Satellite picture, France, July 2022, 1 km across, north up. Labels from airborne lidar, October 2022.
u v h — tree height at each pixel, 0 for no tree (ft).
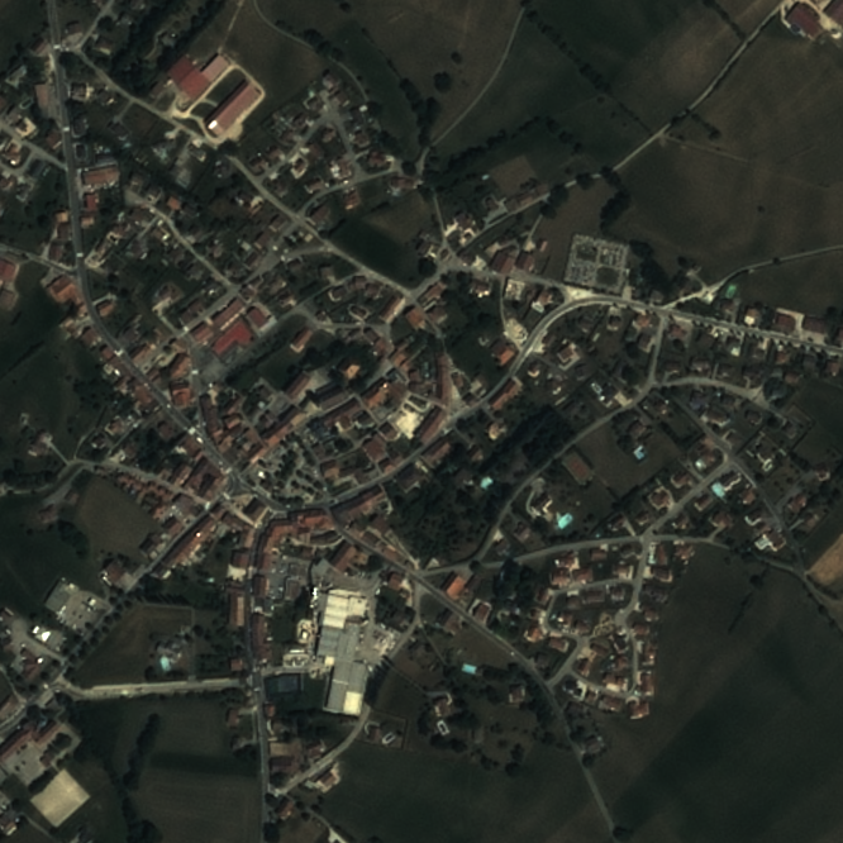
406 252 0
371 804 0
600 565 0
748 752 0
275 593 0
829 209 0
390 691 0
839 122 0
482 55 0
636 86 0
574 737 33
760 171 0
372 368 23
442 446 0
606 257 0
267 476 28
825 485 26
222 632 21
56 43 0
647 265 40
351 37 0
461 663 0
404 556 0
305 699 41
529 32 0
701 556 0
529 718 0
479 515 43
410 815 0
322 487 26
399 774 0
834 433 0
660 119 0
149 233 0
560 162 0
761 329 19
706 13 0
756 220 0
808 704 0
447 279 49
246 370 18
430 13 0
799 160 0
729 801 0
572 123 0
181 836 0
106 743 0
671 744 0
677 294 0
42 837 0
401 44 0
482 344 0
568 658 0
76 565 0
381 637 0
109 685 0
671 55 0
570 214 0
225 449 0
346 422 0
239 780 0
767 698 0
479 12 0
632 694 0
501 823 0
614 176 71
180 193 19
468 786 0
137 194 0
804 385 0
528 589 78
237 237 0
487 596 0
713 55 0
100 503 0
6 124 0
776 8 0
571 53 18
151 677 42
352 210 0
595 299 0
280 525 0
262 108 0
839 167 0
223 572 0
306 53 0
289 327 0
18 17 0
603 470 0
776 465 21
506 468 41
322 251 0
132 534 0
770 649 0
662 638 0
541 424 62
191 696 25
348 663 0
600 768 0
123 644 0
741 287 0
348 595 0
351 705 0
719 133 32
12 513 0
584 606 0
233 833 0
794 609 0
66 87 0
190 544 0
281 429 0
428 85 0
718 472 0
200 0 0
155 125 0
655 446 0
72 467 0
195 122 0
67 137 0
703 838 0
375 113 55
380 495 0
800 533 31
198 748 0
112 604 22
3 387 0
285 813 0
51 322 0
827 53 0
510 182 0
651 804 0
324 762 0
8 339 0
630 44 0
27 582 0
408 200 0
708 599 0
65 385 0
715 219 0
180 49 52
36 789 40
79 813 0
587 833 0
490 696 33
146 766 74
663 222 0
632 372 70
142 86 49
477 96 0
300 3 0
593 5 0
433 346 43
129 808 43
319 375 0
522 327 0
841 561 0
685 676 0
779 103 0
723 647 0
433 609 0
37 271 0
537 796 0
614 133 0
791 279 0
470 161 53
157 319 0
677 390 39
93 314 0
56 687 0
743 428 0
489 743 0
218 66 0
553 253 0
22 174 0
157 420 0
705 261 0
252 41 0
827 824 0
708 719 0
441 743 56
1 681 0
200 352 0
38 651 0
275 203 0
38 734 0
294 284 51
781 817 0
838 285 0
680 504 0
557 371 0
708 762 0
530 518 21
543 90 0
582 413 27
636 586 0
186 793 0
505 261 0
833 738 0
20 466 40
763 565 20
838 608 0
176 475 0
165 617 0
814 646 0
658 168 0
